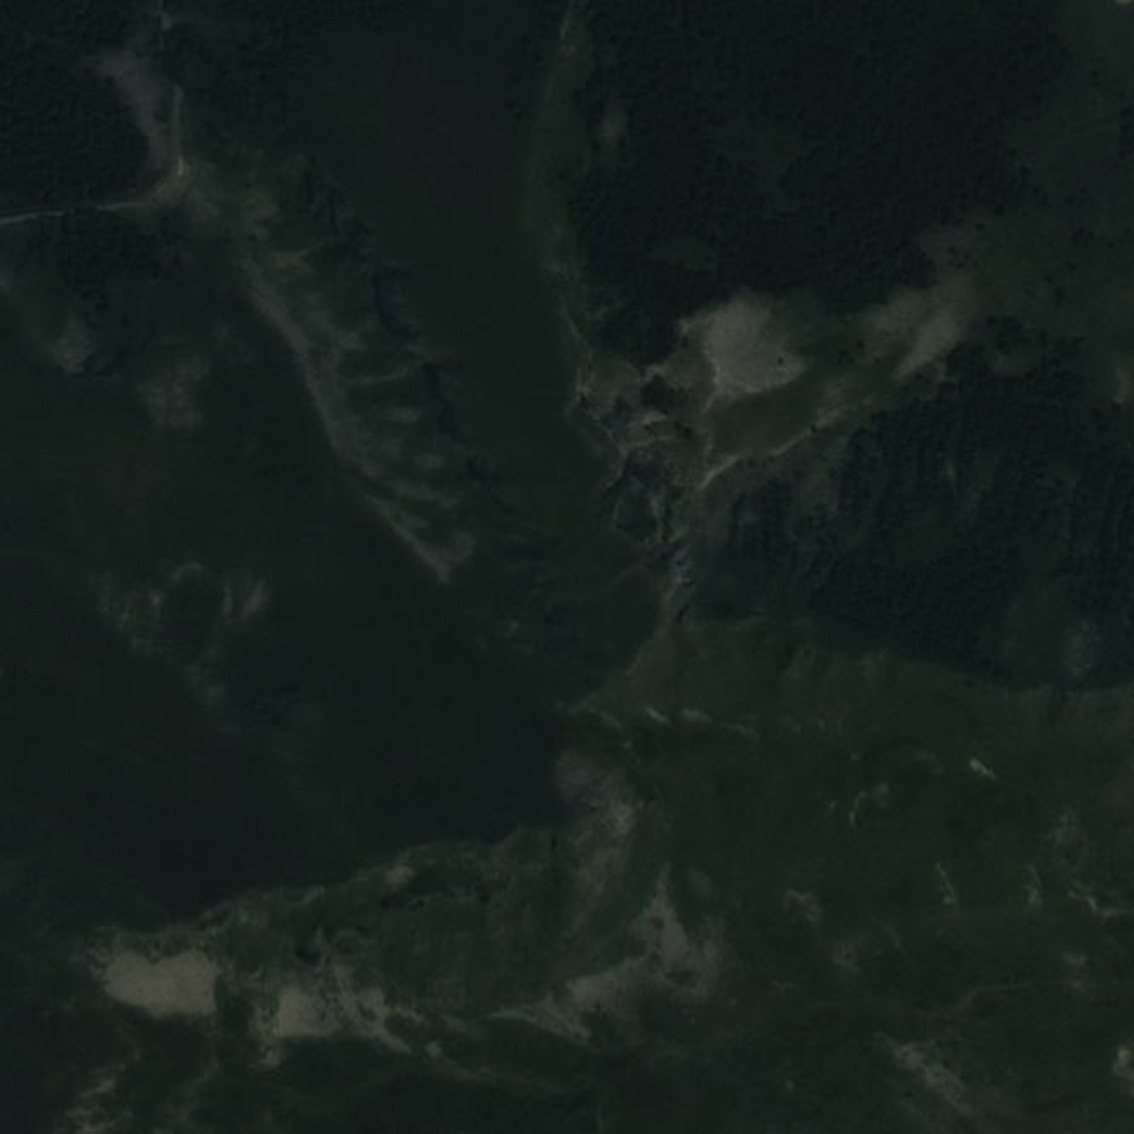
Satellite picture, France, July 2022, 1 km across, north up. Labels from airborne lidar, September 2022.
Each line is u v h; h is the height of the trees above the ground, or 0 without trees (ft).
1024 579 26
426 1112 0
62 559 0
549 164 0
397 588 0
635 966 0
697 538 0
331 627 0
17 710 0
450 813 0
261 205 0
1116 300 0
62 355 0
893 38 57
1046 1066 0
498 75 0
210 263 0
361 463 0
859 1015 0
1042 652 0
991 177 44
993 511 34
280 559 0
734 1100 0
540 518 0
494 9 0
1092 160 0
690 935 0
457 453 0
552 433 0
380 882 0
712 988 0
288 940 0
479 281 0
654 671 0
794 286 41
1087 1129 0
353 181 0
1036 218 0
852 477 36
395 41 0
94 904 0
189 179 0
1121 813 0
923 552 0
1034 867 0
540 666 0
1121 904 0
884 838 0
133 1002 0
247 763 0
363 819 0
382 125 0
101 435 0
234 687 0
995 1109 0
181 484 0
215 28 0
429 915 0
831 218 67
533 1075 0
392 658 0
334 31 0
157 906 0
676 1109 0
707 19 45
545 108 0
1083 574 26
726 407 0
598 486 0
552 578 0
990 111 45
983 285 0
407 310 0
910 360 0
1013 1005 0
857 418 0
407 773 0
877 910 0
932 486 26
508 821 0
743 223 36
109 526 0
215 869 0
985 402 57
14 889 0
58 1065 0
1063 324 0
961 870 0
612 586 0
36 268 0
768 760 0
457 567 0
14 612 0
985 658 26
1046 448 42
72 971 0
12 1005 0
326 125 0
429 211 0
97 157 44
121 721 0
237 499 0
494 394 0
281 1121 0
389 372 0
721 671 0
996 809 0
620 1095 0
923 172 53
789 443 0
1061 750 0
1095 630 0
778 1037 0
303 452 0
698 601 0
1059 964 0
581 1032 0
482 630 0
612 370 0
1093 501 22
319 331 0
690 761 0
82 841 0
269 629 0
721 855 0
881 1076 0
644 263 39
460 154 0
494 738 0
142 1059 0
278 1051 0
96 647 0
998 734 0
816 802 0
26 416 0
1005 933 0
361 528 0
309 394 0
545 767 0
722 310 0
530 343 0
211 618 0
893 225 48
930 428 51
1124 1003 0
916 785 0
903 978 0
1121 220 0
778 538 25
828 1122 0
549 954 0
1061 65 46
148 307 0
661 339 44
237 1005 0
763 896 0
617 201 43
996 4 50
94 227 63
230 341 0
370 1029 0
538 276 0
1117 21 0
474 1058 0
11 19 43
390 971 0
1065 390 71
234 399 0
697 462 0
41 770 0
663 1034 0
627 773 0
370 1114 0
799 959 0
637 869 0
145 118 0
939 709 0
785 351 0
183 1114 0
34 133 54
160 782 0
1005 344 30
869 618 31
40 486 0
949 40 73
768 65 48
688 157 42
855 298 30
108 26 43
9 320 0
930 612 32
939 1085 0
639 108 37
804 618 0
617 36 44
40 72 38
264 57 26
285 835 0
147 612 0
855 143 60
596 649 0
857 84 53
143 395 0
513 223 0
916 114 69
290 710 0
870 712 0
